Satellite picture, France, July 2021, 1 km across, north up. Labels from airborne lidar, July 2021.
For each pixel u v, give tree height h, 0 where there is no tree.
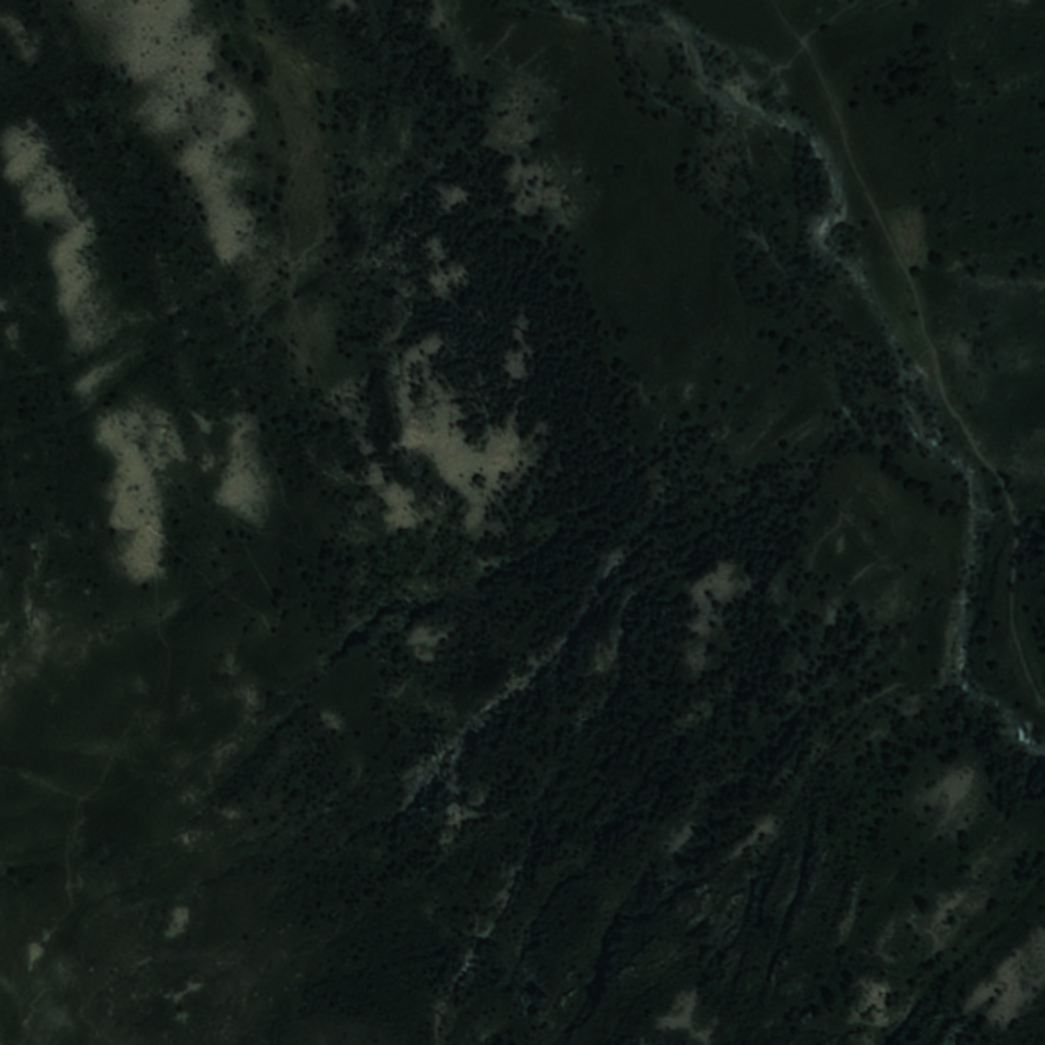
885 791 9
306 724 8
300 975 0
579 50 0
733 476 9
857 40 0
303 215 0
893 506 0
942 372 0
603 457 15
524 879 7
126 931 0
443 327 8
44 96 5
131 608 0
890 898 0
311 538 0
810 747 9
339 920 9
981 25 0
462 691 11
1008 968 0
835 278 9
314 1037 0
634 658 6
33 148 0
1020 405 0
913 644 0
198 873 0
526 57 0
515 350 9
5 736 0
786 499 10
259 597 0
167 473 0
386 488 0
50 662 0
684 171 15
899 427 9
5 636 0
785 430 0
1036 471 0
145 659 0
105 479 8
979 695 9
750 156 0
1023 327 0
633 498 17
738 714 11
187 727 0
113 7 0
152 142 0
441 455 0
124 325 0
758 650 12
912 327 0
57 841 0
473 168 16
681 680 9
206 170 0
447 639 10
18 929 0
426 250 7
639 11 7
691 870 8
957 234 0
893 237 0
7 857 0
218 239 0
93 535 8
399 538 7
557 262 15
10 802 0
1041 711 0
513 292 18
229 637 0
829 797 9
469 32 0
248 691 0
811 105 0
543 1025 10
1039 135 0
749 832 15
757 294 10
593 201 0
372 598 9
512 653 9
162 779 0
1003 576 0
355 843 9
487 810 10
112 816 0
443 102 8
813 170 6
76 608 0
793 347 12
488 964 6
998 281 0
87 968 0
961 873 7
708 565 21
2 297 0
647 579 10
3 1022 0
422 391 9
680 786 12
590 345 10
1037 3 0
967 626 0
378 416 9
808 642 15
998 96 9
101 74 10
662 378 0
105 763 0
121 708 0
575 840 12
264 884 0
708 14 0
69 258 0
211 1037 0
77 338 0
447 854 7
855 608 9
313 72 0
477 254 13
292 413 8
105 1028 0
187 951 0
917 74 13
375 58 12
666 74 0
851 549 0
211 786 0
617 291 0
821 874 6
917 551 0
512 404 14
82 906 0
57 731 0
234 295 7
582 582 13
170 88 0
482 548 11
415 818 7
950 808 0
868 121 0
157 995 0
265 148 0
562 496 9
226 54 10
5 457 11
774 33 0
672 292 0
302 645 0
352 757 0
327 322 0
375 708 9
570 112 0
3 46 7
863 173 0
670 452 13
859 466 0
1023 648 0
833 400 0
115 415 0
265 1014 0
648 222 0
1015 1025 9
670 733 12
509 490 11
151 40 0
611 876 9
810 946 6
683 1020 0
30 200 0
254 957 0
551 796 10
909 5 8
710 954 13
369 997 7
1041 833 0
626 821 14
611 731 6
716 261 0
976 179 0
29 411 10
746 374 0
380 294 9
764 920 10
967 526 0
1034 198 0
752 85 0
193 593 0
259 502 0
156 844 0
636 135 0
